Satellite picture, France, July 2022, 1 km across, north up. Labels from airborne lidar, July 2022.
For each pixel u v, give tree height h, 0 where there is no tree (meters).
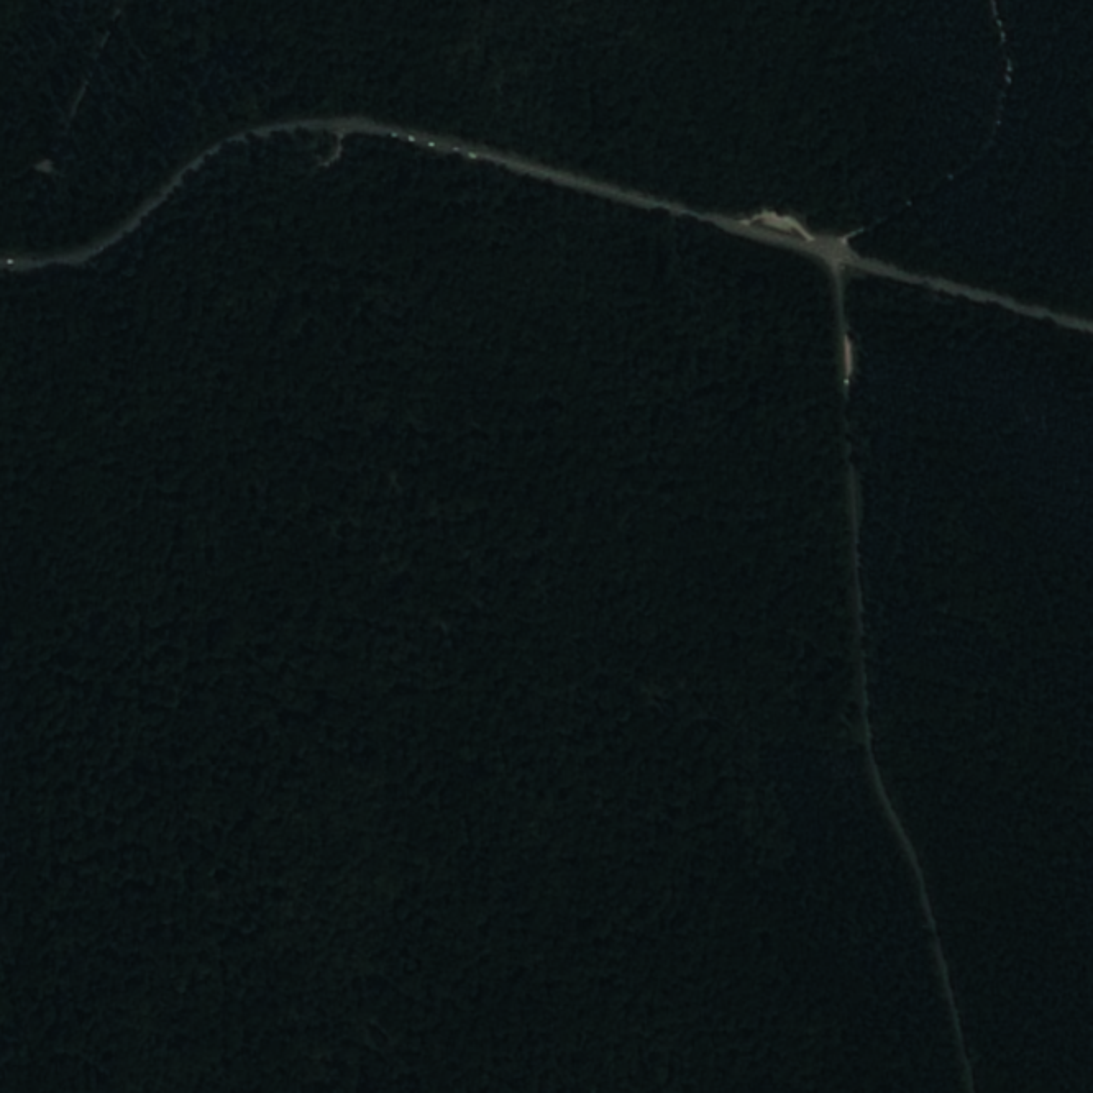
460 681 18
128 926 22
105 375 23
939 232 21
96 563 14
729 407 12
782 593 20
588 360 14
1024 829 12
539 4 12
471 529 19
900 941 14
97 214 11
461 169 8
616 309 15
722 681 19
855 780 15
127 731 20
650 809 13
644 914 23
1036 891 14
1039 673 20
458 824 18
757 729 16
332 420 15
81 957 26
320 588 20
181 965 20
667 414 11
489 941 19
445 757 17
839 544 17
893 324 11
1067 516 21
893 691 17
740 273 10
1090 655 18
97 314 26
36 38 31
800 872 20
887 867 14
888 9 13
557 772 16
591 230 11
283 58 19
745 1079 15
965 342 20
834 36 15
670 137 19
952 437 14
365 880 12
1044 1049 11
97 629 22
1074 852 12
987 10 21
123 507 16
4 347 14
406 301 17
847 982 18
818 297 12
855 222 13
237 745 23
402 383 19
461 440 18
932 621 18
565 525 17
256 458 19
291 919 16
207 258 14
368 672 18
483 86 12
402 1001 23
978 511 20
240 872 18
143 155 6
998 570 13
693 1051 18
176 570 21
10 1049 19
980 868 14
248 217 19
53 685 21
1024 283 13
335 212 17
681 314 15
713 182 14
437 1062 23
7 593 22
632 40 13
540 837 12
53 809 16
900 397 20
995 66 21
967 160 14
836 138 24
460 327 15
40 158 7
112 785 23
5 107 25
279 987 19
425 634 17
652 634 17
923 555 15
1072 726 17
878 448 20
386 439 24
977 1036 18
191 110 27
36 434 17
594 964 24
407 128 13
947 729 15
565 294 11
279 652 18
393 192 19
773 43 14
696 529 19
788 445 21
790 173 15
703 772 25
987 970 18
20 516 21
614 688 21
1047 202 20
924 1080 20
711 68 15
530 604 14
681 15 17
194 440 17
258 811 17
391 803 18
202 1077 21
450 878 14
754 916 21
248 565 17
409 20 18
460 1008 21
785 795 17
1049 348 15
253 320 20
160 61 9
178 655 25
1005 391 24
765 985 16
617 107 23
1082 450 22
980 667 21
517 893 18
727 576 21
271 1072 21
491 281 14
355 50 14
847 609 16
